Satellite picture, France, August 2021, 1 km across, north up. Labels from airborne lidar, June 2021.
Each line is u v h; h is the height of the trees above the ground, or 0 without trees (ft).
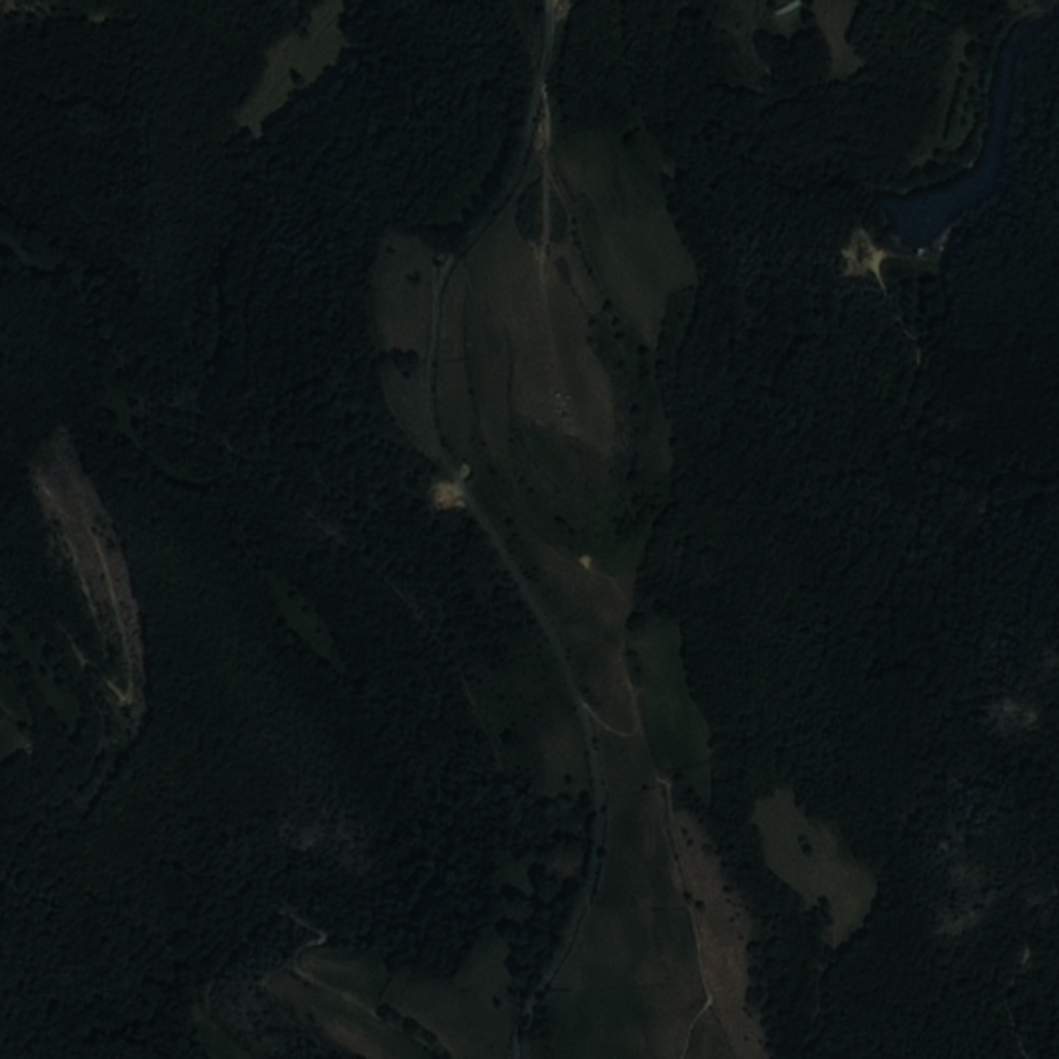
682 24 74
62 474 0
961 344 61
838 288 66
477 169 66
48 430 93
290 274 57
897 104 76
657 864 0
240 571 83
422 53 83
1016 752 57
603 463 0
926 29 67
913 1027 80
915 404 70
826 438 63
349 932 60
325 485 25
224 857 83
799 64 68
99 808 63
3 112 39
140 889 65
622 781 0
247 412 28
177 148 71
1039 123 64
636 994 0
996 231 57
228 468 66
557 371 0
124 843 63
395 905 71
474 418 0
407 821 36
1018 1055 37
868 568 85
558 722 0
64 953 81
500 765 26
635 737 0
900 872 58
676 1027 0
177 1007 104
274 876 62
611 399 0
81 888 82
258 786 55
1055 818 79
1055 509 86
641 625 46
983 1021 70
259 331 64
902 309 44
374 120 79
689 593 51
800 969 51
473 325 0
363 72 109
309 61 0
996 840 36
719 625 63
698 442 35
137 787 69
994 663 29
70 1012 111
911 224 0
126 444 59
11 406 68
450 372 0
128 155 24
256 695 52
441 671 59
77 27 45
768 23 0
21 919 70
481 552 40
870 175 57
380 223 48
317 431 49
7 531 50
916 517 68
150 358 56
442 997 0
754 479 37
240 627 58
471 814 20
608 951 0
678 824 0
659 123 64
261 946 52
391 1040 0
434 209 57
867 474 70
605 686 0
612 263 0
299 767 51
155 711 72
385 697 57
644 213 0
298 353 62
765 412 44
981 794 36
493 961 0
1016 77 46
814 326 45
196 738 63
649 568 32
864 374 54
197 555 55
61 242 63
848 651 82
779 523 59
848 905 0
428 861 47
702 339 48
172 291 43
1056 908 38
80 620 62
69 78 49
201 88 57
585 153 0
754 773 45
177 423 45
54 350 73
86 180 34
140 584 51
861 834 75
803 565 44
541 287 0
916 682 80
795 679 69
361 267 37
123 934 114
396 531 41
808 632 64
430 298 0
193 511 67
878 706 79
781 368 54
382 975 0
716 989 0
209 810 77
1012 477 35
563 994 0
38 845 82
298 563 73
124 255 24
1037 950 58
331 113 82
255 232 60
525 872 0
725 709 52
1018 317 62
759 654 62
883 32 55
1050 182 51
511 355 0
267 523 75
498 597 34
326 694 90
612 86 69
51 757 67
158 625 79
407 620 50
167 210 68
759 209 54
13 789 72
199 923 70
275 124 76
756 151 82
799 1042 48
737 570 55
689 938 0
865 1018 72
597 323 27
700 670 61
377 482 28
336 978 0
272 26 86
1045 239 55
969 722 74
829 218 63
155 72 56
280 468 39
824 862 0
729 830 47
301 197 54
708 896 0
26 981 75
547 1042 37
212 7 65
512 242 0
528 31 0
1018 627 47
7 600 52
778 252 48
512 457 0
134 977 86
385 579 41
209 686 68
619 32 73
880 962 76
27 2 80
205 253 69
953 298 74
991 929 51
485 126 73
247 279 43
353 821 39
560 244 0
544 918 57
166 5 58
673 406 39
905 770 67
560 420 0
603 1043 0
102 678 50
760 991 31
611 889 0
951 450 61
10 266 80
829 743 74
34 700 48
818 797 83
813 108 50
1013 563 61
